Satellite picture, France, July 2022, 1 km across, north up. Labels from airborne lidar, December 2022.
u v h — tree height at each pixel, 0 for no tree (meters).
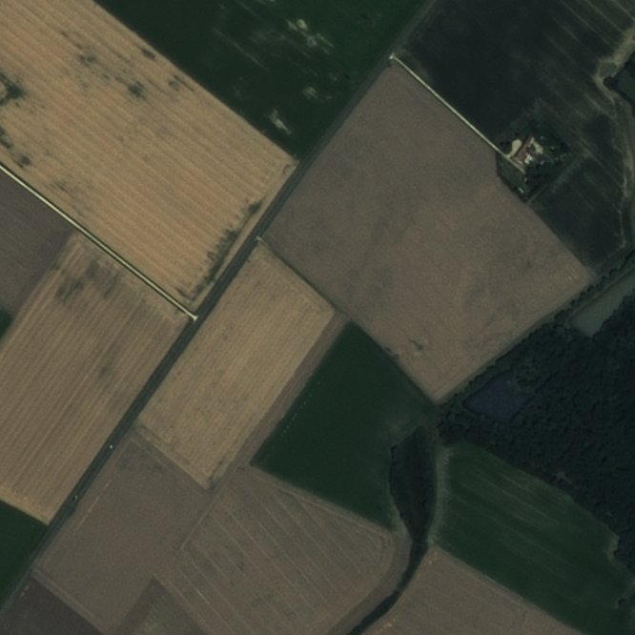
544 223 0
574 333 14
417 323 0
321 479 0
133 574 0
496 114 0
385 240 0
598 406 7
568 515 0
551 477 16
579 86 0
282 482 0
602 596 0
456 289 0
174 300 0
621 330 21
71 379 0
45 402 0
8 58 0
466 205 0
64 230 0
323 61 0
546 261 0
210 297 0
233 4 0
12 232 0
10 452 0
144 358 0
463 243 0
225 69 0
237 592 0
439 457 0
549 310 0
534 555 0
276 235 0
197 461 0
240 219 0
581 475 21
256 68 0
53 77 0
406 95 0
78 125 0
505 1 0
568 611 0
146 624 0
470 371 0
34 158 0
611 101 0
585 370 24
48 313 0
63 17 0
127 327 0
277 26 0
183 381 0
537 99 0
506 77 0
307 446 0
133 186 0
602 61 0
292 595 0
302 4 0
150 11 0
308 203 0
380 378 0
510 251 0
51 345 0
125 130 0
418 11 0
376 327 0
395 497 11
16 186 0
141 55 0
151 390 0
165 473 0
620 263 0
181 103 0
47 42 0
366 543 0
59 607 0
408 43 0
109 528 0
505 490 0
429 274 0
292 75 0
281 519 0
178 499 0
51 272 0
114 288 0
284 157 0
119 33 0
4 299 0
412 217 0
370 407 0
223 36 0
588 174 0
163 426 0
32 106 0
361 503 0
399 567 0
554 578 0
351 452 0
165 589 0
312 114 0
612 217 0
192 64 0
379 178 0
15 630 0
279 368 0
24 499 0
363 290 0
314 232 0
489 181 0
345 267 0
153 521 0
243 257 0
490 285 0
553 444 25
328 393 0
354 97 0
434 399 0
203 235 0
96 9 0
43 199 0
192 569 0
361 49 0
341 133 0
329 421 0
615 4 0
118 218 0
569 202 0
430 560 0
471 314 0
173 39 0
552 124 0
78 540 0
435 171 0
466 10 0
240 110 0
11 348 0
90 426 0
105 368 0
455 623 0
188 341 0
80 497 0
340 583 0
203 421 0
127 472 0
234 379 0
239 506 0
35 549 0
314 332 0
